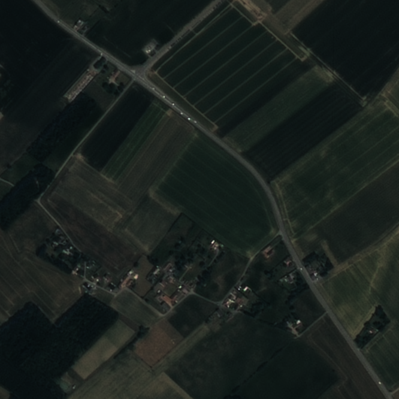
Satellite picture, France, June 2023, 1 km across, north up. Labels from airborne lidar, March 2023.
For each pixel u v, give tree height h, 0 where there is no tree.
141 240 0
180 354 0
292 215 0
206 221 0
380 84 0
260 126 0
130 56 0
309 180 0
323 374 0
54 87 0
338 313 0
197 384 0
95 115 0
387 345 0
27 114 0
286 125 0
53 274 0
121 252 0
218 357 0
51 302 0
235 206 0
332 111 0
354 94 0
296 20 0
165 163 0
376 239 0
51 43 0
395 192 0
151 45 0
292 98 0
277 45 0
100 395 0
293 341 0
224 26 0
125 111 0
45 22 0
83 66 0
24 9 0
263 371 0
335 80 0
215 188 0
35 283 0
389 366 0
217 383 0
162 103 0
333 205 0
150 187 0
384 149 0
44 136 11
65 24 0
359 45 0
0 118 0
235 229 0
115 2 0
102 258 0
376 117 0
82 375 0
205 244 0
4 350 20
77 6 0
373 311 0
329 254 0
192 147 0
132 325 0
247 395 0
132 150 0
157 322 0
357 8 0
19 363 16
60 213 0
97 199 0
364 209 0
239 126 0
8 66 0
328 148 0
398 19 0
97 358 0
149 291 0
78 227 0
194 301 0
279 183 0
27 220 0
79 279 0
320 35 0
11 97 0
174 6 0
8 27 0
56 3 0
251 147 0
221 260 0
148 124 0
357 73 0
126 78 0
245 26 0
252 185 0
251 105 0
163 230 0
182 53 0
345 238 0
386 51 0
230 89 0
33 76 0
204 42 0
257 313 12
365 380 0
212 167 0
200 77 0
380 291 0
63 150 0
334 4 0
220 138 0
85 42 0
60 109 0
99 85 0
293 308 10
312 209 0
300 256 0
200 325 0
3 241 0
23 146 0
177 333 0
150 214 0
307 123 0
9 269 0
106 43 0
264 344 0
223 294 0
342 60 0
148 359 0
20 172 0
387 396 0
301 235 0
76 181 0
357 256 0
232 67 0
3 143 0
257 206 0
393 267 0
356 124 0
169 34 0
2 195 0
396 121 0
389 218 0
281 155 0
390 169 0
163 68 0
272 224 0
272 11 0
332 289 0
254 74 0
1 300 0
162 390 0
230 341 0
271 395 0
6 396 0
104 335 0
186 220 0
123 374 0
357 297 0
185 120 0
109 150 0
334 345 0
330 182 0
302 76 0
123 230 0
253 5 0
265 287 0
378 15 0
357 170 0
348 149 0
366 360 0
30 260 0
